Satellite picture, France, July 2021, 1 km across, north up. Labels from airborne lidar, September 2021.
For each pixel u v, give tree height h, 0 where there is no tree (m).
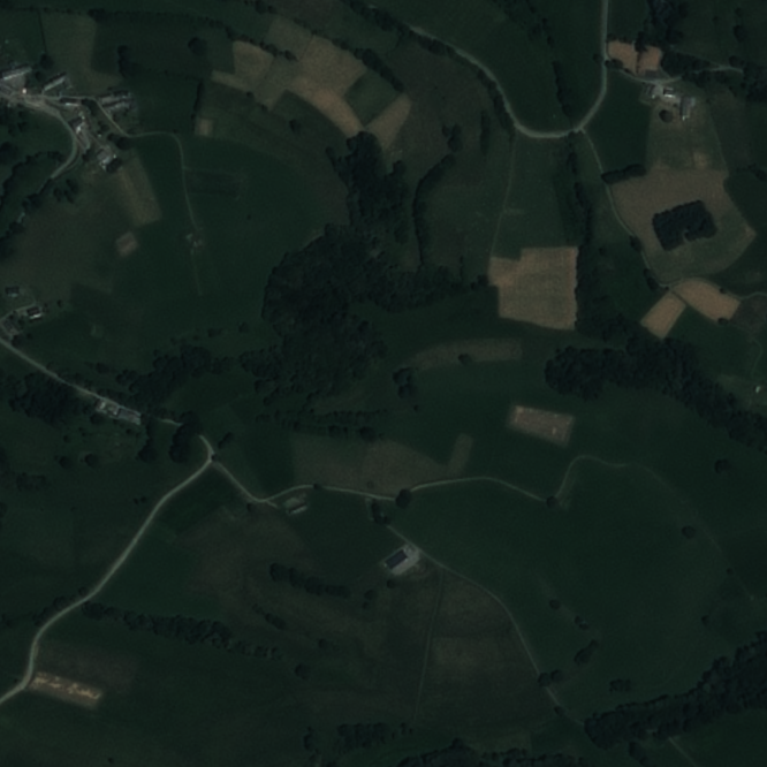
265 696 0
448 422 0
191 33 0
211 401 0
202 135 0
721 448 0
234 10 0
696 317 0
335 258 19
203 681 0
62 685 0
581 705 0
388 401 0
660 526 0
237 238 0
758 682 11
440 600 0
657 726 16
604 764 0
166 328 0
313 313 30
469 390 0
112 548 0
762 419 23
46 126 0
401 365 0
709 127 0
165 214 0
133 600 0
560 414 0
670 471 0
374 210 17
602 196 0
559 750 0
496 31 0
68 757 0
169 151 0
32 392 16
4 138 0
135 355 0
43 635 0
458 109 0
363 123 0
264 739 0
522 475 0
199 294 0
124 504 0
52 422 16
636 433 0
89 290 0
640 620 0
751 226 0
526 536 0
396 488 0
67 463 16
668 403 0
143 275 0
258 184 0
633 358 17
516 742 0
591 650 9
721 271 0
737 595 0
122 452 0
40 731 0
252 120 0
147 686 0
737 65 14
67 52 0
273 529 0
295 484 0
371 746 17
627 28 0
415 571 0
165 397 18
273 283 14
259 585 0
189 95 0
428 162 0
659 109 0
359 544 0
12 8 11
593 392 14
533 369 0
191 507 0
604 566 0
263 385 18
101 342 0
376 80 0
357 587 0
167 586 0
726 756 0
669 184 0
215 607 0
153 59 0
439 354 0
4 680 0
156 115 0
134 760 0
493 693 0
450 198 0
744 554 0
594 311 10
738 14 9
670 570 0
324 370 17
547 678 13
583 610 0
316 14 0
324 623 0
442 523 0
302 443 0
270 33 0
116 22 7
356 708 0
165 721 0
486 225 0
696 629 0
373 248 16
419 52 0
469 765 23
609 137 0
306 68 0
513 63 0
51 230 0
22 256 0
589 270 9
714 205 0
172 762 0
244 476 0
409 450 0
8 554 0
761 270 0
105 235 0
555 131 0
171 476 0
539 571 0
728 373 0
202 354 19
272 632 0
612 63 13
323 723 0
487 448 0
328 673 0
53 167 0
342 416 16
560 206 0
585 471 0
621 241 0
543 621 0
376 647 0
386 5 0
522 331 0
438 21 0
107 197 0
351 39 0
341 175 13
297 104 0
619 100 0
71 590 0
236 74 0
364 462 0
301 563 0
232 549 0
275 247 0
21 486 17
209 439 0
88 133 0
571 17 0
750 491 0
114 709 0
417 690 0
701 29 0
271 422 6
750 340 0
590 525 0
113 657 0
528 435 0
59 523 0
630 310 0
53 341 0
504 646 0
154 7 0
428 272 15
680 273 0
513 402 0
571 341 0
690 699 17
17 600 0
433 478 0
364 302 26
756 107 0
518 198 0
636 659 0
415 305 19
